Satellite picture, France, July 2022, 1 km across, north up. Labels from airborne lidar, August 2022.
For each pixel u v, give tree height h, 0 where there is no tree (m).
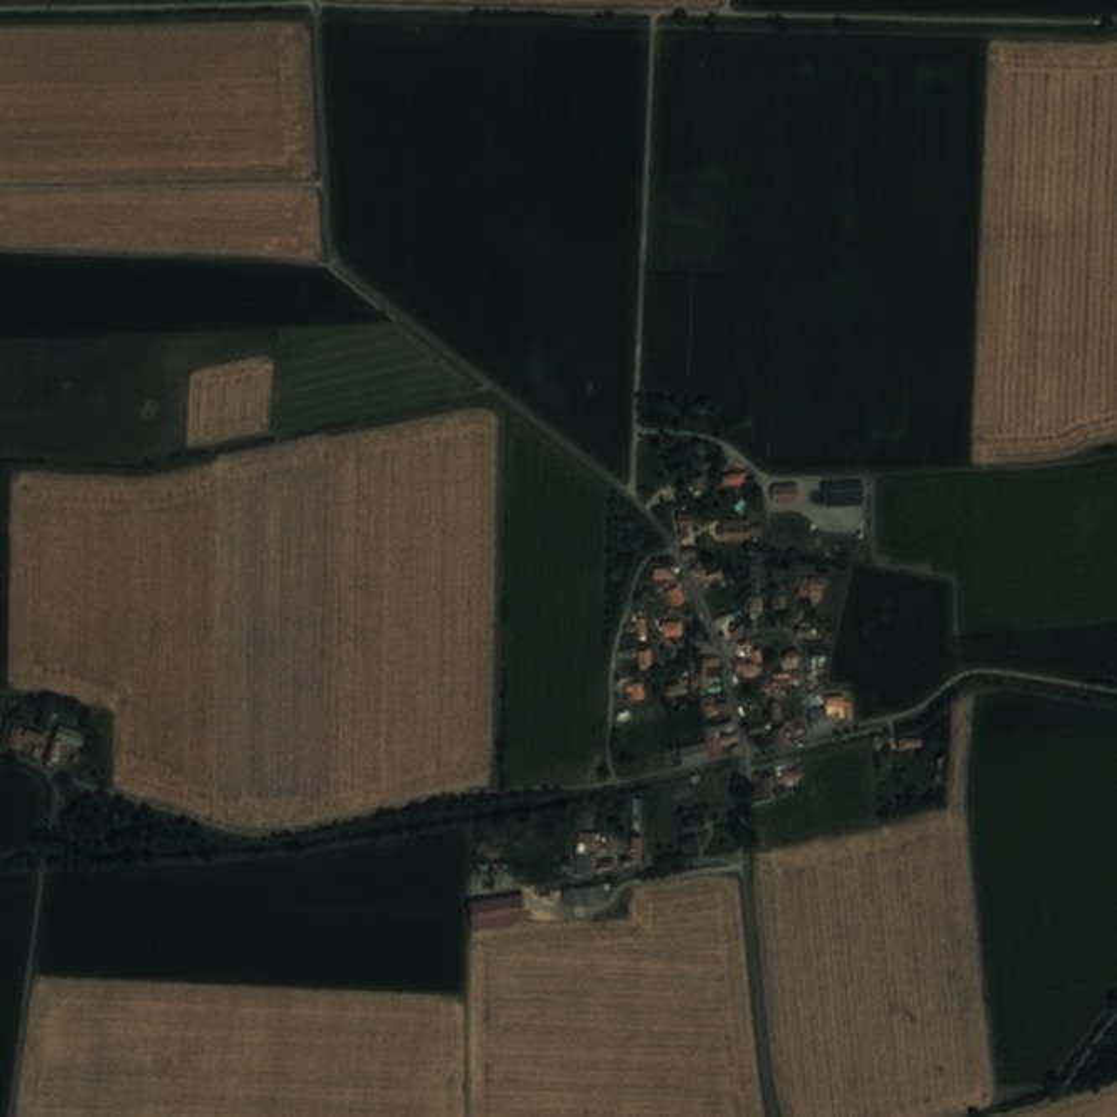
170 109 0
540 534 0
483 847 0
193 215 0
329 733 0
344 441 0
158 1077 0
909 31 0
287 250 0
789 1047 0
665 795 0
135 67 0
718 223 0
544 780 0
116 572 0
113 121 0
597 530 0
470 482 0
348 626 0
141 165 0
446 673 0
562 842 0
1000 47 0
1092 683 7
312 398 0
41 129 0
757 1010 0
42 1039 0
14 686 0
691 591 0
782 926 0
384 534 0
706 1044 0
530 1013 0
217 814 0
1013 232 0
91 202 0
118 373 0
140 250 0
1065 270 0
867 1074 0
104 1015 0
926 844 0
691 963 0
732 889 0
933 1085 0
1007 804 0
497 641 0
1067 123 0
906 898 0
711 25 9
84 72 0
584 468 0
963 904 0
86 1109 0
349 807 0
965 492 0
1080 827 0
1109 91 0
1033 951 0
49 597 0
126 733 0
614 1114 0
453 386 0
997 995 0
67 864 18
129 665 0
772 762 0
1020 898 0
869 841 0
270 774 0
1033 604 0
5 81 0
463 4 0
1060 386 0
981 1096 0
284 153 0
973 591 0
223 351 0
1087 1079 15
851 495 0
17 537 0
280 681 0
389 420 0
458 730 0
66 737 0
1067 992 0
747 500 10
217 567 0
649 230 0
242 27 0
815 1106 0
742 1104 0
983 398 0
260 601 0
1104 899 0
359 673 0
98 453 0
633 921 0
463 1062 0
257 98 0
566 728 0
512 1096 0
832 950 0
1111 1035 6
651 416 10
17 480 0
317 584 0
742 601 8
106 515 0
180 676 0
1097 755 0
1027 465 0
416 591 0
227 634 0
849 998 0
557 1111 0
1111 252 0
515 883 0
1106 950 0
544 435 0
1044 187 0
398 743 0
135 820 12
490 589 0
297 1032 0
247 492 0
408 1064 0
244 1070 0
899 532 0
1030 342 0
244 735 0
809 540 0
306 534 0
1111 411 0
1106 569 0
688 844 9
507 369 0
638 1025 0
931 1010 0
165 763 0
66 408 0
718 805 0
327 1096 0
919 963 0
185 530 0
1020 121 0
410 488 0
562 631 0
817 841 0
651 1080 0
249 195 0
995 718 0
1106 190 0
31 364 0
